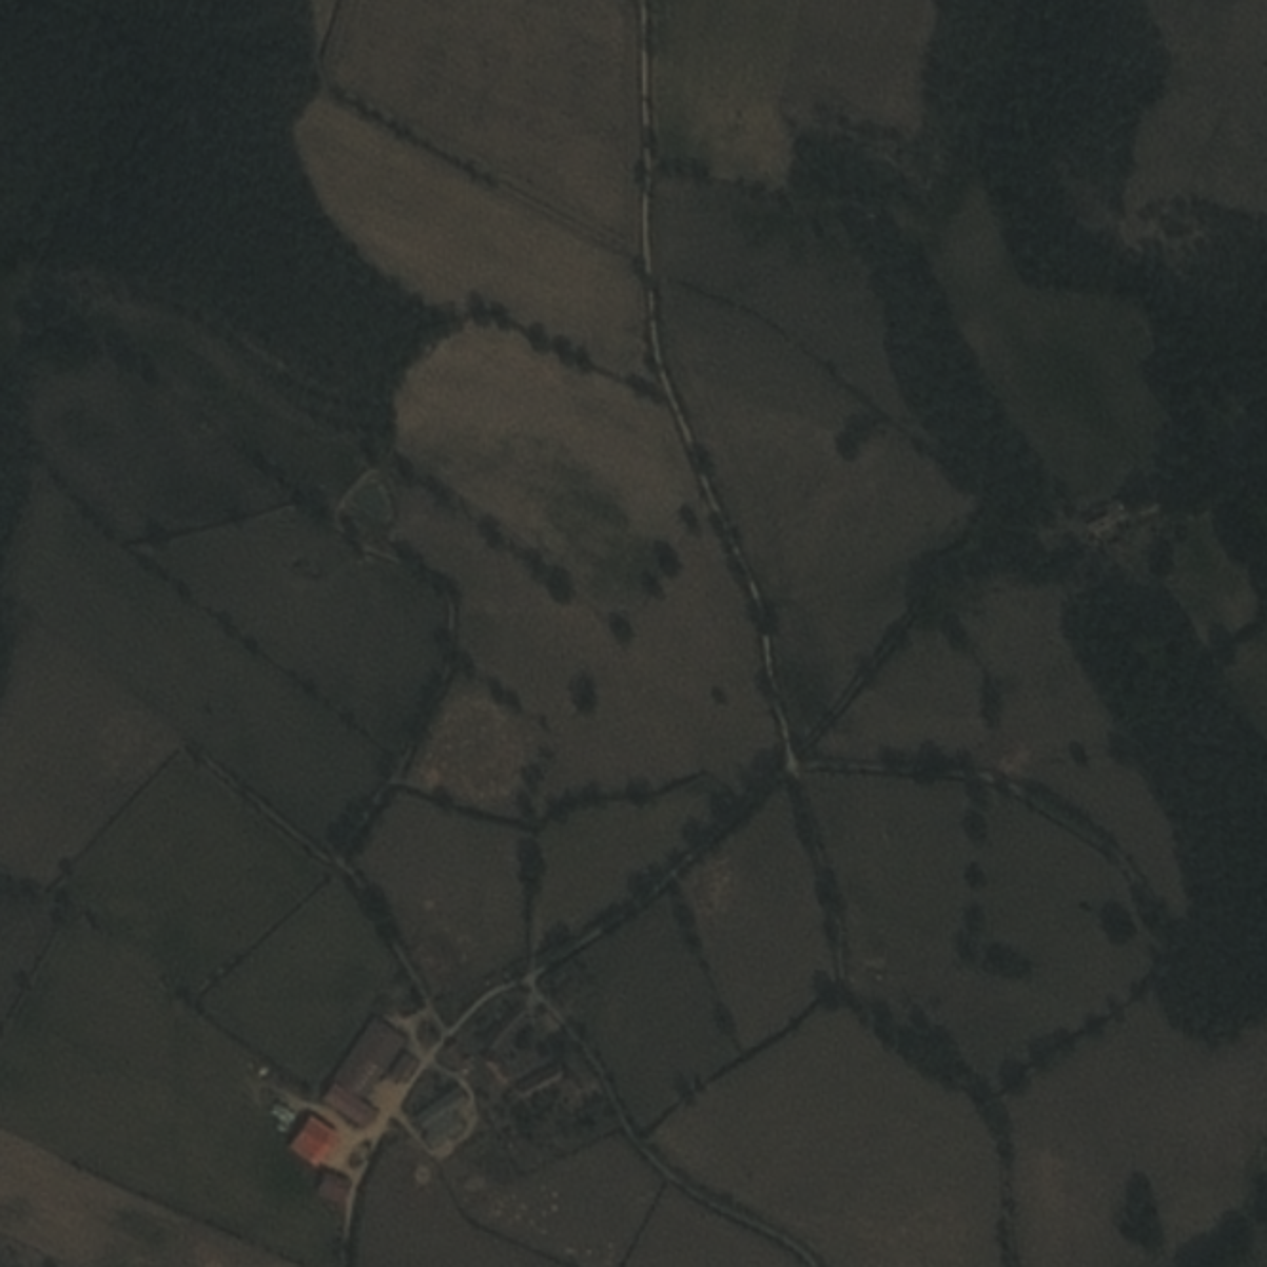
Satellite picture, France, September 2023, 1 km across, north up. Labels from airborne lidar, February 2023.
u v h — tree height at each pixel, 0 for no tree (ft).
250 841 0
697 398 0
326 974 0
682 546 0
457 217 0
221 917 0
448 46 0
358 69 0
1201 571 0
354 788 0
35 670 0
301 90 23
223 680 0
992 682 35
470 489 0
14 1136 0
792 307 0
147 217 69
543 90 0
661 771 0
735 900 0
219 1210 0
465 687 0
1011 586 0
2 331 0
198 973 0
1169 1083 0
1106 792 0
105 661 0
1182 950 61
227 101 38
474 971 0
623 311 0
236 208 45
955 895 0
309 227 36
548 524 0
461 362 0
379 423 57
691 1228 0
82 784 0
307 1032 0
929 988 0
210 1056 0
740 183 28
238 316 45
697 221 0
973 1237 0
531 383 0
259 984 0
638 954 0
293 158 30
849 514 0
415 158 0
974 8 32
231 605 0
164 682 0
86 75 70
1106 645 21
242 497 0
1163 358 37
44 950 0
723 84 0
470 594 0
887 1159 0
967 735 0
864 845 0
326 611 0
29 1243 0
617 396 0
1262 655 0
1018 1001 0
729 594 0
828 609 0
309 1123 0
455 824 0
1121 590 57
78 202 22
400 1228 0
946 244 0
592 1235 0
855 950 0
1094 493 0
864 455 0
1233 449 66
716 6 0
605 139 0
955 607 0
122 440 0
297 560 0
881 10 0
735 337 0
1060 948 0
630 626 27
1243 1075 0
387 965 0
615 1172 0
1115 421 0
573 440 0
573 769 0
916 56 0
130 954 0
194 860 0
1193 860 41
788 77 0
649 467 0
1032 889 0
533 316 0
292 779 0
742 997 0
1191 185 0
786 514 0
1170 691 27
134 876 0
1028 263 64
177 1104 0
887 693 0
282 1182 0
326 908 0
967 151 63
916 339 50
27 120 73
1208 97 0
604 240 0
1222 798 59
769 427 0
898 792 0
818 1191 0
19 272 0
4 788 0
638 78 0
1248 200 0
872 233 62
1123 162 43
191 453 0
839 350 0
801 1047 0
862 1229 0
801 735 0
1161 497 76
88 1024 0
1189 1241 0
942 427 62
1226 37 0
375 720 0
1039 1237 0
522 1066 0
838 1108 0
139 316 0
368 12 0
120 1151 0
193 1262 0
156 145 81
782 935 0
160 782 0
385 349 56
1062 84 70
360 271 51
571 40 0
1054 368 0
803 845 29
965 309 0
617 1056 0
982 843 39
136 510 0
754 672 0
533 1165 0
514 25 0
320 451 0
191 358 0
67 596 0
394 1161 0
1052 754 0
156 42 66
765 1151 0
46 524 0
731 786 0
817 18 0
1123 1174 0
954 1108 0
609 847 0
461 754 0
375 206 0
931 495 0
